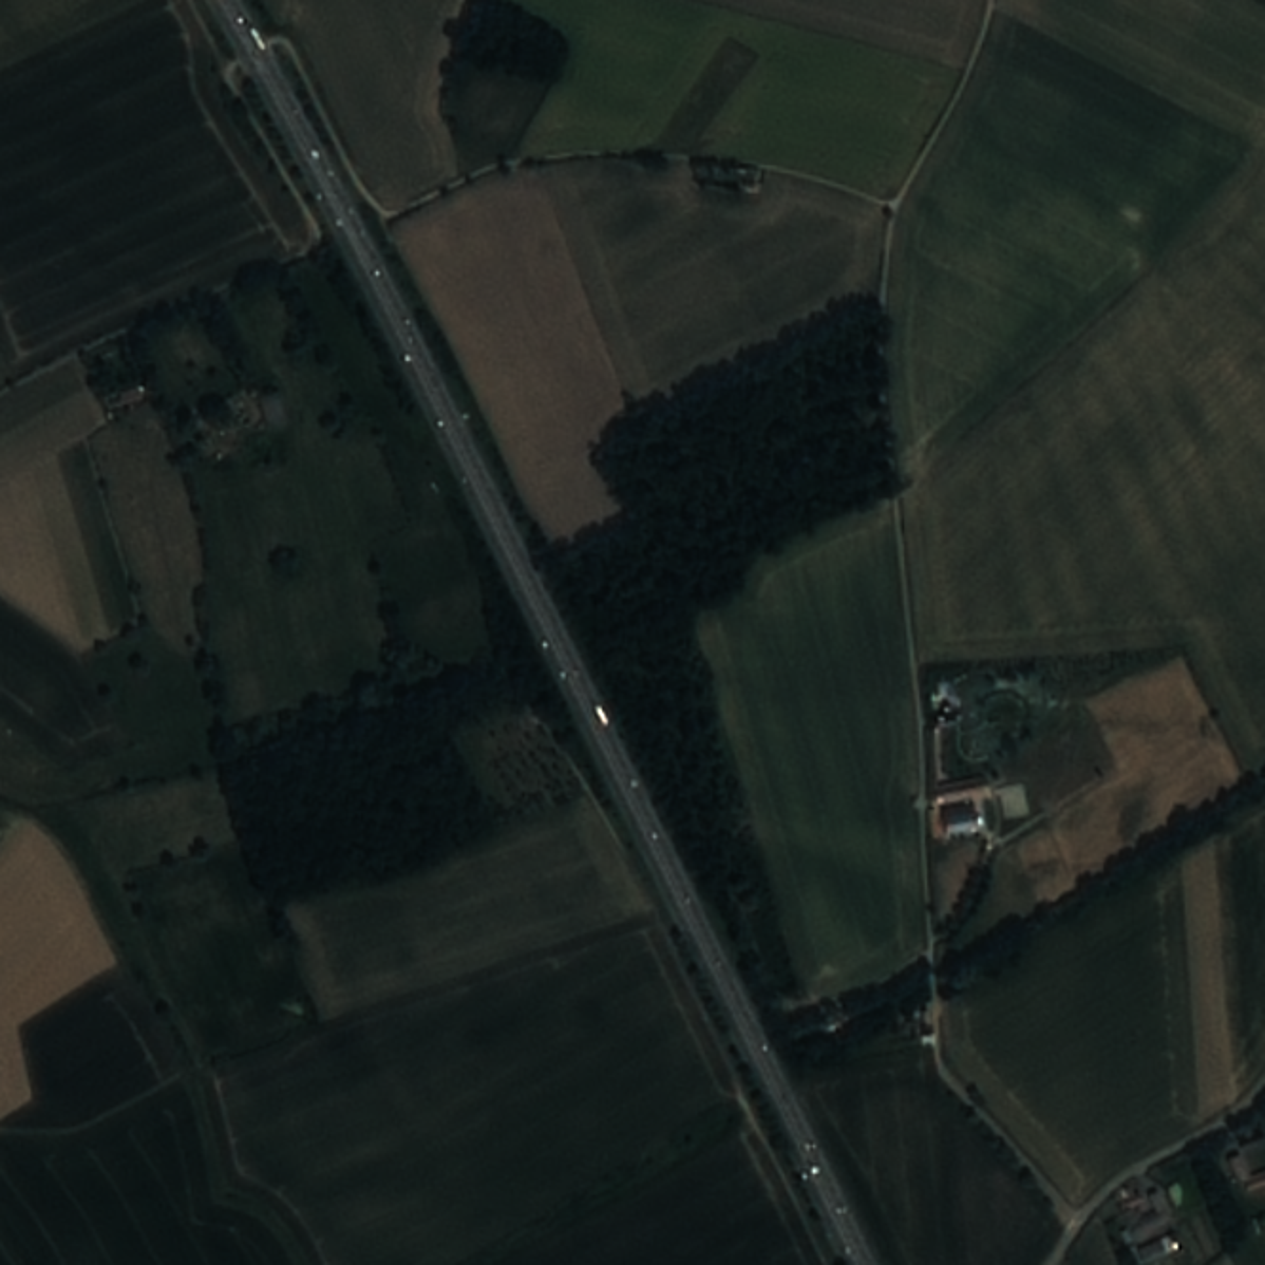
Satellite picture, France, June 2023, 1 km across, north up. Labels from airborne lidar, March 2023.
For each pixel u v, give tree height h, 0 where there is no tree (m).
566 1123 0
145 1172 0
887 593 0
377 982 0
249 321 0
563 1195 0
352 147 0
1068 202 0
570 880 0
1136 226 0
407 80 0
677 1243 0
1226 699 0
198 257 0
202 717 0
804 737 0
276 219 0
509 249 0
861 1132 0
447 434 0
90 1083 0
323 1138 0
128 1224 0
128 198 0
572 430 0
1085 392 0
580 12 0
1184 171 0
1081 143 0
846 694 0
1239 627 0
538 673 14
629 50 0
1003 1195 0
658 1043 0
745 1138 0
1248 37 0
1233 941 0
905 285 0
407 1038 0
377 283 0
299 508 0
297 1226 0
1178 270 0
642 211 0
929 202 0
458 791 22
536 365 0
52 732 0
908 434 0
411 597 0
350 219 0
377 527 0
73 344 0
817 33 0
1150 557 0
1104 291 0
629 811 0
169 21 0
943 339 0
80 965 0
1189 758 0
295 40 0
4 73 0
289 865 26
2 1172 0
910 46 0
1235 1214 17
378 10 0
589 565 22
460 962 0
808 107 0
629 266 0
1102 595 0
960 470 0
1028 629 0
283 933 14
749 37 0
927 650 0
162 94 0
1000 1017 0
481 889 0
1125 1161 0
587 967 0
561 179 0
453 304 0
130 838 0
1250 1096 0
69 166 0
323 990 0
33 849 0
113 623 0
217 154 0
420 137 0
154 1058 0
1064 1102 0
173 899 0
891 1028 8
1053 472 0
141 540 0
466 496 0
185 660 0
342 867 27
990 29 0
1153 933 0
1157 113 0
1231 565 0
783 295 0
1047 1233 0
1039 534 0
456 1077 0
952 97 0
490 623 9
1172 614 0
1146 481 0
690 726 24
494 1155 0
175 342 0
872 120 0
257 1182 0
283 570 11
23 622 0
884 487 21
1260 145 0
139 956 0
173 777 0
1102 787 0
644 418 22
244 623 0
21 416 0
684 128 0
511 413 0
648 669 18
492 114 0
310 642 0
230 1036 0
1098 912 0
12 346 0
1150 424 0
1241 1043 0
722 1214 0
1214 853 0
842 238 0
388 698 17
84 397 0
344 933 0
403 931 0
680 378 0
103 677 0
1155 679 0
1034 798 0
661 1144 0
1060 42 0
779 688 0
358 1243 0
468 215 0
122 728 0
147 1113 0
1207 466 0
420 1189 0
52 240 0
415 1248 0
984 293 0
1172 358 0
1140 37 0
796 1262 0
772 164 0
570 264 0
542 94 0
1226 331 0
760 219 0
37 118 0
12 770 0
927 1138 0
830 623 0
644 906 0
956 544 0
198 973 0
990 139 0
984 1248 0
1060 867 0
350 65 0
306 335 14
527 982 0
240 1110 0
